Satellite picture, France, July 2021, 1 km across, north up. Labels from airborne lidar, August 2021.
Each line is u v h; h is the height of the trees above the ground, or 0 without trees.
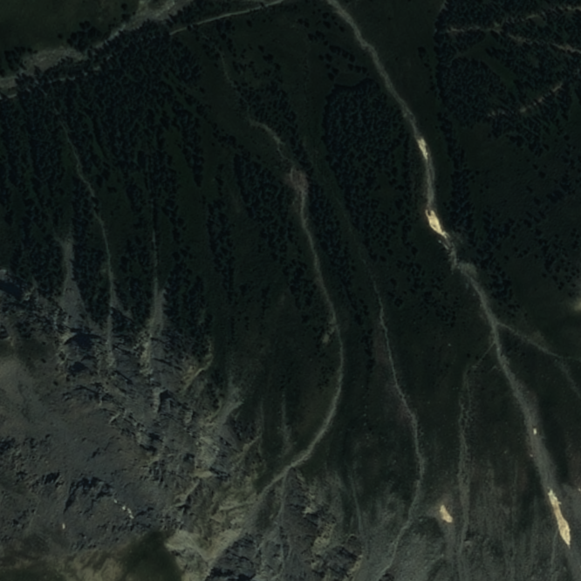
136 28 0
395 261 0
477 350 0
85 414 0
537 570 0
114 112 22
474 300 0
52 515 0
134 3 0
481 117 23
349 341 0
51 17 0
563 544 0
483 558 0
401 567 0
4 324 0
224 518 0
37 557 0
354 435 0
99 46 0
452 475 0
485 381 0
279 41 0
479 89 21
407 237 17
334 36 0
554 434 0
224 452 0
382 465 0
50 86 21
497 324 0
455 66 21
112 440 0
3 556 0
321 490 0
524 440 0
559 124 24
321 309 7
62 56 0
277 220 9
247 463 0
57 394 0
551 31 21
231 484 0
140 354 6
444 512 0
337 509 0
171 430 0
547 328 0
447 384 0
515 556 0
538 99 0
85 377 0
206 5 21
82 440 0
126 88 23
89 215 19
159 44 25
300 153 19
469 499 0
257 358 0
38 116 25
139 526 0
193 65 20
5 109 19
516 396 0
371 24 0
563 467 0
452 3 20
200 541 0
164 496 0
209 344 9
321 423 0
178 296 6
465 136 0
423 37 0
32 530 0
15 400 0
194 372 0
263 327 6
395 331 0
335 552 0
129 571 0
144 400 0
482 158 0
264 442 0
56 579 0
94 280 9
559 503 0
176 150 0
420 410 0
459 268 0
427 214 0
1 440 0
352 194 19
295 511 0
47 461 0
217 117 0
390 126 23
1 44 0
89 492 0
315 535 0
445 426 0
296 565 0
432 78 7
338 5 0
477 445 0
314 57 0
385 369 0
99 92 19
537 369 0
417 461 0
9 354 0
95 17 0
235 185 0
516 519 0
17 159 26
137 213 11
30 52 21
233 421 7
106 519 0
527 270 0
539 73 25
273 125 6
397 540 0
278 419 0
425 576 0
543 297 0
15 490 0
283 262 17
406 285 0
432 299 12
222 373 9
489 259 8
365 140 20
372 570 0
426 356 0
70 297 0
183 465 0
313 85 0
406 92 0
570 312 0
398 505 0
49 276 11
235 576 0
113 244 0
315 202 14
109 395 0
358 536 0
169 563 0
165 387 0
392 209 6
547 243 11
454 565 0
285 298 0
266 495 0
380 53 0
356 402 0
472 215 9
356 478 0
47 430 0
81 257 15
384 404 0
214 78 0
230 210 0
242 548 0
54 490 0
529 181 0
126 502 0
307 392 0
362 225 14
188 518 0
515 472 0
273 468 0
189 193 0
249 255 0
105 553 0
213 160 0
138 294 15
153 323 0
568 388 0
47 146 20
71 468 0
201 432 0
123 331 11
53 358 0
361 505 0
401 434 0
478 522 0
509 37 22
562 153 0
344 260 15
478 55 0
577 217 0
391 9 0
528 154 0
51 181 23
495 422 0
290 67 0
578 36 20
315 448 0
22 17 0
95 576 0
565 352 0
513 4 17
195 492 0
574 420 0
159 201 10
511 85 0
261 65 0
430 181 0
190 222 0
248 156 10
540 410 0
